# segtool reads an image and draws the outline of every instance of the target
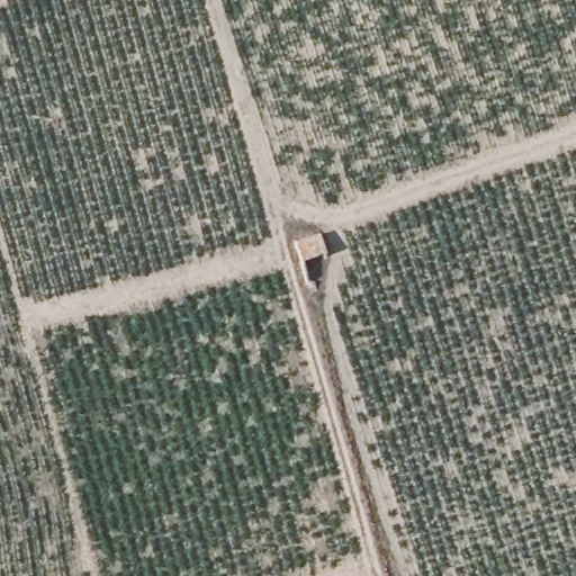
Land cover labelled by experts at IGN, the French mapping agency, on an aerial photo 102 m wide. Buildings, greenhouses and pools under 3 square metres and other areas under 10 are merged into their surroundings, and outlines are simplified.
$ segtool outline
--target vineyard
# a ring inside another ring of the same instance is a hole
[[[268,149],[275,155],[281,196],[297,194],[297,180],[308,176],[315,194],[324,196],[326,203],[335,205],[340,200],[342,205],[351,205],[365,191],[380,189],[387,176],[396,176],[398,180],[412,180],[419,171],[464,162],[468,160],[470,151],[479,155],[479,151],[484,153],[502,144],[518,144],[527,135],[531,137],[558,128],[565,122],[563,117],[576,113],[576,0],[223,0],[225,16],[230,20],[230,32],[234,36],[250,92],[257,101]]]
[[[299,259],[295,252],[295,241],[311,234],[322,236],[326,250],[320,257],[306,261],[308,277],[315,284],[315,293],[306,299],[306,306],[311,311],[315,335],[320,340],[322,358],[335,394],[338,414],[358,473],[358,484],[367,504],[371,531],[385,576],[576,576],[576,149],[558,153],[554,160],[531,162],[506,173],[495,173],[484,182],[473,182],[457,191],[439,194],[419,205],[392,212],[387,221],[358,225],[356,232],[344,230],[335,234],[326,232],[324,225],[297,218],[293,221],[288,214],[281,212],[270,209],[266,214],[254,169],[250,162],[248,144],[241,131],[241,122],[232,104],[230,81],[225,74],[225,65],[221,59],[221,50],[214,36],[205,0],[0,0],[0,576],[317,576],[324,569],[338,567],[344,560],[344,556],[360,554],[360,540],[353,533],[347,533],[342,527],[342,522],[349,515],[349,500],[342,491],[340,468],[333,455],[329,430],[322,421],[317,421],[320,396],[308,383],[308,362],[304,360],[299,329],[290,311],[290,290],[286,286],[284,272],[279,272],[288,259],[295,268],[299,266]]]

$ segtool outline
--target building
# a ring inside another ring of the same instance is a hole
[[[320,257],[326,250],[322,236],[311,234],[295,241],[295,252],[299,259],[306,261]]]

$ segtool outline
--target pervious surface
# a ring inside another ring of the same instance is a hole
[[[225,74],[230,81],[232,104],[241,122],[241,131],[248,144],[250,162],[254,169],[266,214],[270,209],[281,212],[288,214],[293,221],[297,218],[324,225],[326,232],[335,234],[344,230],[356,232],[358,225],[387,221],[392,212],[419,205],[439,194],[457,191],[473,182],[484,182],[495,173],[506,173],[531,162],[554,160],[558,153],[576,149],[576,113],[563,117],[565,122],[558,128],[531,137],[527,135],[518,144],[502,144],[484,153],[479,151],[479,155],[470,151],[468,160],[464,162],[419,171],[412,180],[398,180],[396,176],[387,176],[380,189],[365,191],[351,205],[342,205],[340,200],[335,205],[326,203],[324,196],[315,194],[308,176],[297,180],[297,194],[281,196],[275,155],[268,149],[257,101],[250,92],[234,36],[230,32],[230,20],[225,16],[223,0],[205,0],[214,36],[221,50],[221,59],[225,65]]]
[[[329,430],[333,455],[340,468],[342,491],[349,500],[349,515],[342,522],[342,527],[347,533],[353,533],[360,540],[365,538],[365,533],[371,531],[367,504],[358,484],[358,473],[338,414],[335,394],[322,358],[320,340],[315,335],[311,311],[306,306],[306,299],[315,293],[315,284],[308,277],[306,261],[299,259],[299,266],[295,268],[288,259],[279,272],[284,272],[286,286],[290,290],[290,311],[299,329],[304,360],[308,362],[308,383],[320,396],[317,421],[322,421]]]

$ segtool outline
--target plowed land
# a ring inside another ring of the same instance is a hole
[[[344,560],[338,567],[324,569],[317,576],[385,576],[371,531],[365,533],[365,538],[360,540],[360,554],[344,556]]]

